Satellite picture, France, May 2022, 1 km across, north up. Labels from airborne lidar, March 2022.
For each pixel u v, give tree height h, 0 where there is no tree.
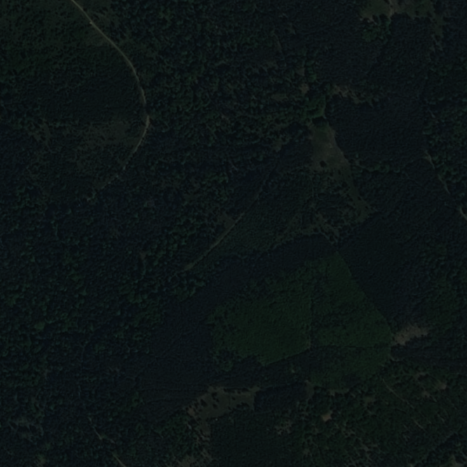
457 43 29
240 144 22
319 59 24
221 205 21
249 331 12
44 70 11
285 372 13
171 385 19
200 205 7
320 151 0
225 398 0
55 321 20
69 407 25
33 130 24
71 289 24
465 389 16
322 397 16
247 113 23
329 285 13
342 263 12
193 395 18
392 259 15
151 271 8
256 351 10
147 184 11
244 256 10
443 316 22
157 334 22
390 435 11
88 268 28
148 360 19
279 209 10
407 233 18
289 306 9
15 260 24
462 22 26
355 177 10
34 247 27
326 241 14
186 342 18
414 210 22
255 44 20
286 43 22
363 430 10
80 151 7
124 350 21
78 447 21
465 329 22
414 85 23
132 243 22
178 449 22
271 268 14
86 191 10
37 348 22
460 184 17
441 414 15
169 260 13
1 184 27
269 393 24
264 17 20
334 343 9
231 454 10
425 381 16
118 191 11
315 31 22
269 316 10
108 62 10
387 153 25
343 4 22
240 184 21
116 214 25
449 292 18
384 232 16
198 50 26
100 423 24
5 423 22
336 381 14
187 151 22
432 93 17
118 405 21
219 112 25
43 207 25
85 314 22
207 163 11
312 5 23
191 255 12
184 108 25
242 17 20
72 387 21
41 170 8
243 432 10
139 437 24
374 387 14
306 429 12
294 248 14
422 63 21
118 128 0
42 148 19
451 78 20
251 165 20
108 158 7
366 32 24
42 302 23
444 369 18
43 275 24
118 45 6
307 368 13
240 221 6
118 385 21
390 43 22
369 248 15
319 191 7
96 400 21
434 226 22
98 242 23
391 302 13
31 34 8
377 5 0
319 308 10
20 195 31
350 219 6
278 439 10
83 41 7
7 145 27
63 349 23
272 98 22
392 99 26
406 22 20
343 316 9
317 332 11
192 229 24
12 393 25
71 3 0
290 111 22
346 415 11
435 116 30
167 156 11
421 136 23
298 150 20
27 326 25
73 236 26
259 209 7
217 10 24
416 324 17
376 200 17
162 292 22
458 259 24
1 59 12
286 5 15
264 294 16
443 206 18
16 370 24
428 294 20
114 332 21
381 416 12
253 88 25
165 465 24
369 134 25
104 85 12
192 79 11
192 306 19
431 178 15
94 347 18
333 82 22
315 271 10
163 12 25
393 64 25
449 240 22
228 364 10
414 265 19
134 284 14
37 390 23
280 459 9
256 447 11
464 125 31
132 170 9
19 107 9
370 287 14
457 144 23
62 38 6
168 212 26
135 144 0
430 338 17
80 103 11
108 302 25
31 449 24
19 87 10
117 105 11
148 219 22
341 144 24
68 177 10
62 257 26
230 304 11
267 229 8
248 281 15
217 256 6
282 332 10
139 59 9
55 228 24
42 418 11
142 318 25
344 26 25
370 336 10
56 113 12
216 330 11
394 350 14
